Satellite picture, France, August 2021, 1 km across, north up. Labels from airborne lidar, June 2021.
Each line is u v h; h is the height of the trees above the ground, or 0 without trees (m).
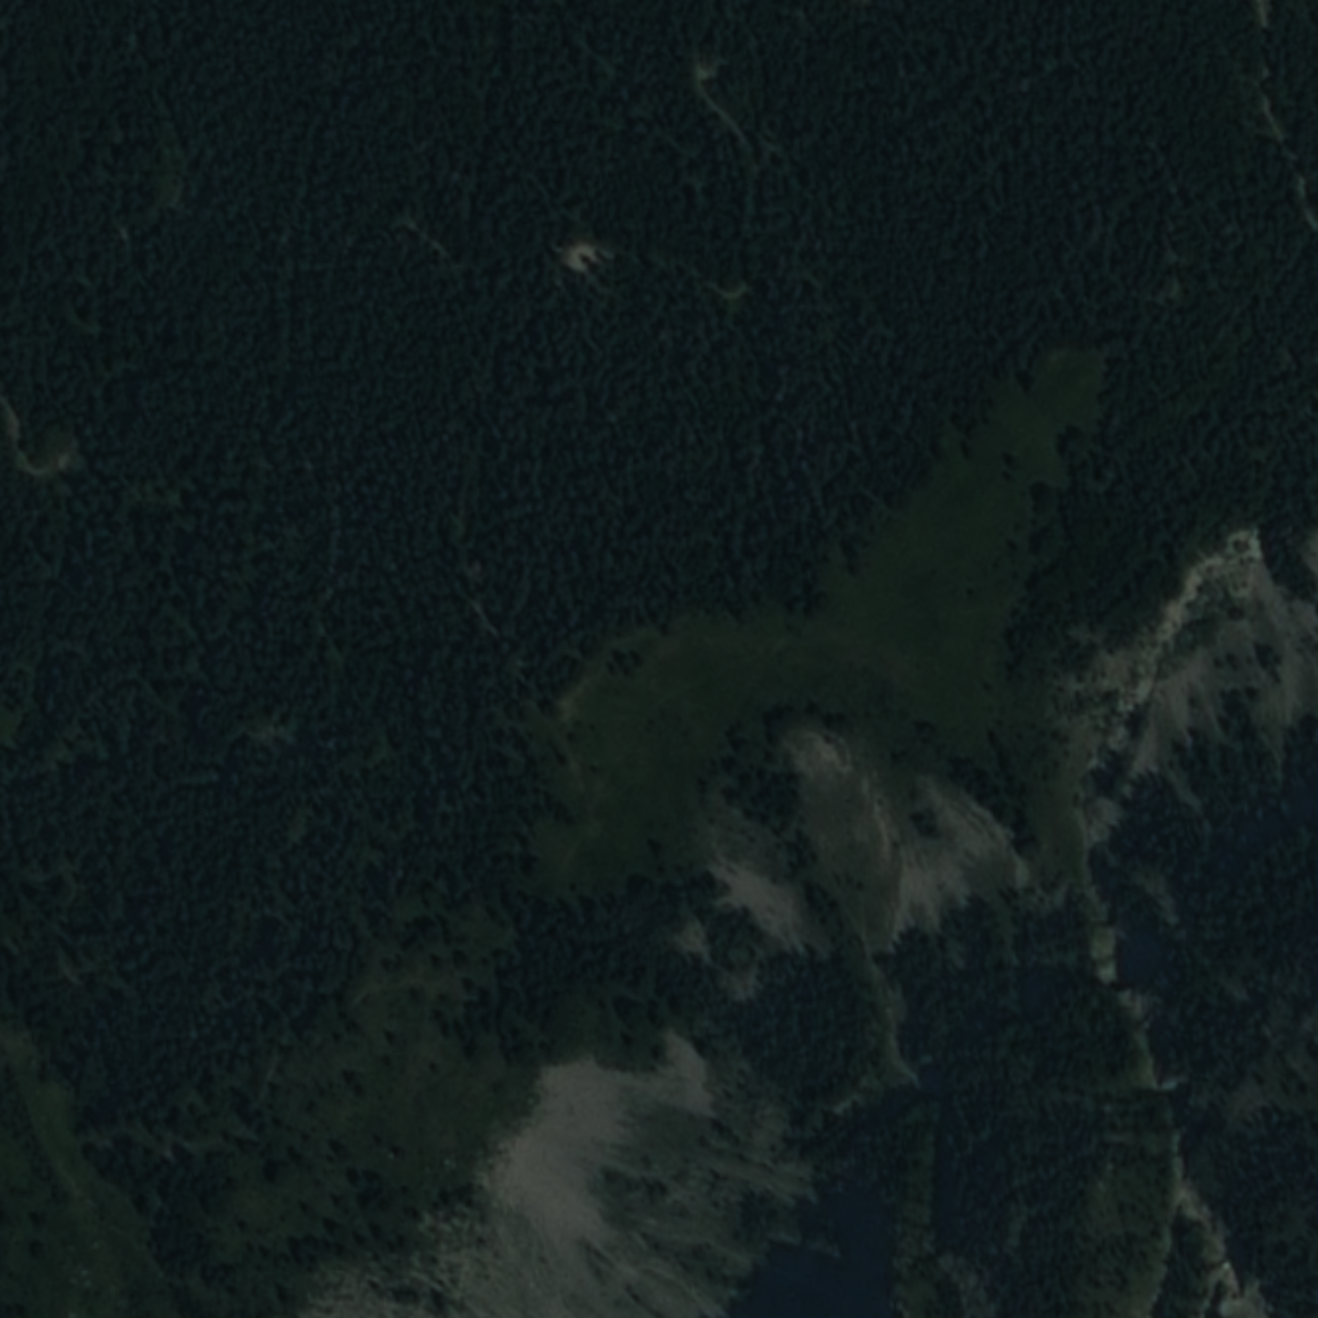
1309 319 21
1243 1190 8
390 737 8
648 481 14
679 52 21
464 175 15
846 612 0
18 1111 7
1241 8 13
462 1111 0
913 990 8
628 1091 0
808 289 7
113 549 26
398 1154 12
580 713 0
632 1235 0
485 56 13
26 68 20
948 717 0
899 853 0
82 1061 7
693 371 26
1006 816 17
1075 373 0
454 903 6
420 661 6
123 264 18
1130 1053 6
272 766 16
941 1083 14
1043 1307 8
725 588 12
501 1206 0
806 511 30
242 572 10
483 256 21
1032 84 13
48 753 25
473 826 14
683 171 30
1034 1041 9
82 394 25
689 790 0
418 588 21
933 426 19
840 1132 12
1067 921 9
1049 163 19
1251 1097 0
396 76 16
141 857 15
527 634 12
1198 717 0
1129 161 22
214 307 17
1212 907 12
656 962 11
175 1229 16
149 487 27
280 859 22
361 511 18
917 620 0
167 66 18
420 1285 0
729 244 25
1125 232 21
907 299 22
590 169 21
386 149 19
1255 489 20
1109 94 17
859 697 0
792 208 8
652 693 0
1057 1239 8
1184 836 11
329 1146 0
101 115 21
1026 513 0
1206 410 20
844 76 25
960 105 26
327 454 15
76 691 21
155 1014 13
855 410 18
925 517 0
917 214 21
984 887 0
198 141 17
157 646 28
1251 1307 0
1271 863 13
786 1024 9
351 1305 0
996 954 9
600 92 12
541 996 26
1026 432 0
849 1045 11
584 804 0
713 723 0
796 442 11
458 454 28
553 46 23
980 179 24
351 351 10
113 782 23
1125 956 0
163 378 19
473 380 28
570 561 31
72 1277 0
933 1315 6
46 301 19
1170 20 15
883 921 0
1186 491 27
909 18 16
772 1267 0
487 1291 0
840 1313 6
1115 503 20
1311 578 8
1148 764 0
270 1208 0
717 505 11
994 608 0
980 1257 7
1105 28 18
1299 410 9
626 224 21
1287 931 9
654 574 12
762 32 12
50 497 6
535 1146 0
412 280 17
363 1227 0
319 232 16
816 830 0
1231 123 14
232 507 26
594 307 26
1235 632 0
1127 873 7
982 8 17
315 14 19
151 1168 12
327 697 25
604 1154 0
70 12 20
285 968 24
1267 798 6
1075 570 23
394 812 9
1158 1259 0
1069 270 25
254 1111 27
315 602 14
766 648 0
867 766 0
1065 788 0
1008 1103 9
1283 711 0
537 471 28
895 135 11
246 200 15
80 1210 0
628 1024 17
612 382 16
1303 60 23
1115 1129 8
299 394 17
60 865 21
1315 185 12
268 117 17
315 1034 24
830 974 12
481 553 14
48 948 9
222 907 19
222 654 25
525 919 22
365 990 0
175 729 34
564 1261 0
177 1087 23
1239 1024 6
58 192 18
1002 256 19
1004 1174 8
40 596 24
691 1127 0
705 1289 0
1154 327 16
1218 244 12
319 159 12
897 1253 6
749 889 0
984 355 22
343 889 25
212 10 19
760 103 8
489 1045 0
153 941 32
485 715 22
